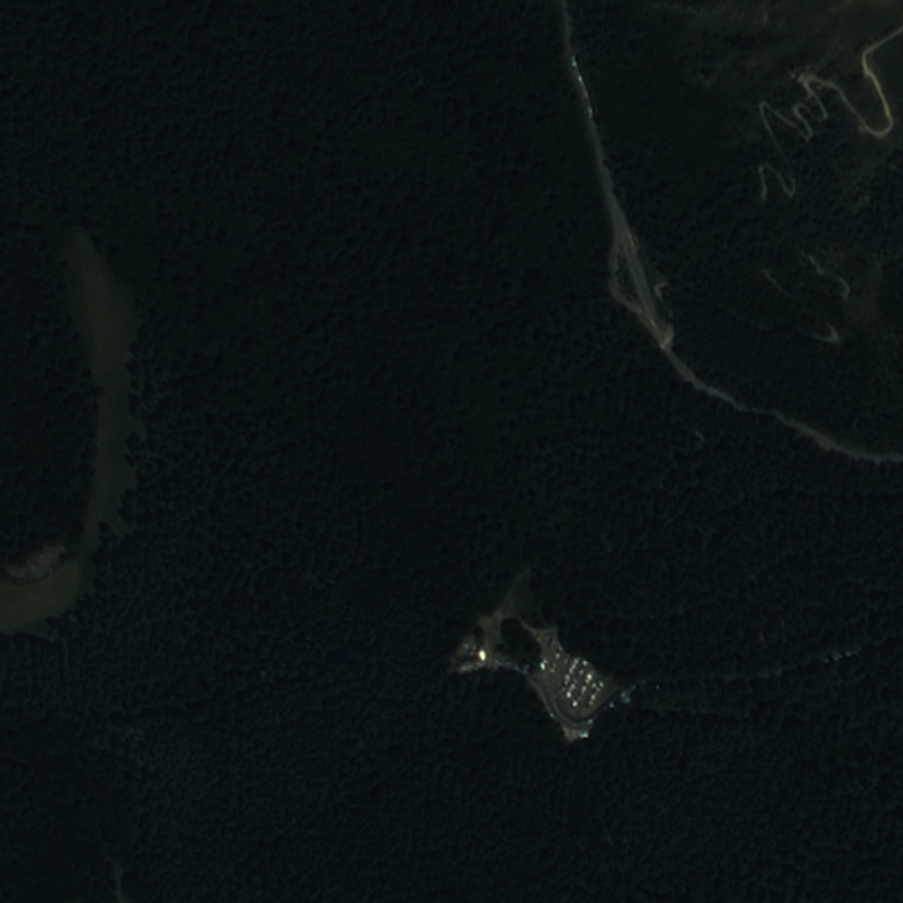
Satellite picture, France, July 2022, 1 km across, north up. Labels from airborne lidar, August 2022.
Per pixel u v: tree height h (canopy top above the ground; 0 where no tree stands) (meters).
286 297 6
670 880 23
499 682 16
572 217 7
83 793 18
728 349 16
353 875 20
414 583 12
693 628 19
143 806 17
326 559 16
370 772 17
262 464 8
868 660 21
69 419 13
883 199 9
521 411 7
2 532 6
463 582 17
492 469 7
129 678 25
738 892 29
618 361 11
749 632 27
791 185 10
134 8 8
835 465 23
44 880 19
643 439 18
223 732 21
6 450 17
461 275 16
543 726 24
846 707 25
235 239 6
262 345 12
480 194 9
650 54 10
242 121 17
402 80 15
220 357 14
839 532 21
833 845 20
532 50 16
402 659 22
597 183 7
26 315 19
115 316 0
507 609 0
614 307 11
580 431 10
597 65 14
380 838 16
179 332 7
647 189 10
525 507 9
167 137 17
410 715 21
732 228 7
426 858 19
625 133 6
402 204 17
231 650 7
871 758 7
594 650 16
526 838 15
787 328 7
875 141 0
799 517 22
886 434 9
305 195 17
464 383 8
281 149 16
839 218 11
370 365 11
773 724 33
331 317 17
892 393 9
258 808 33
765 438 22
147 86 15
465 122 14
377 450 23
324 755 21
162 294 8
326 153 14
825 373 16
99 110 15
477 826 11
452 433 10
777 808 26
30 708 17
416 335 11
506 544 6
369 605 19
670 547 22
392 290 19
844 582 28
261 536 8
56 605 0
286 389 6
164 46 16
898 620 21
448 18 14
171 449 13
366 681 23
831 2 0
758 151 10
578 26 6
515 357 11
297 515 17
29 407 17
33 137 19
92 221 8
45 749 19
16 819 17
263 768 25
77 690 20
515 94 6
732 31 0
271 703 25
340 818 21
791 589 27
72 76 19
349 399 20
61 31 13
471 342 9
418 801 16
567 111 7
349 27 7
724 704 27
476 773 16
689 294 15
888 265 7
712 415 23
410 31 13
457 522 18
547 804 14
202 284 13
